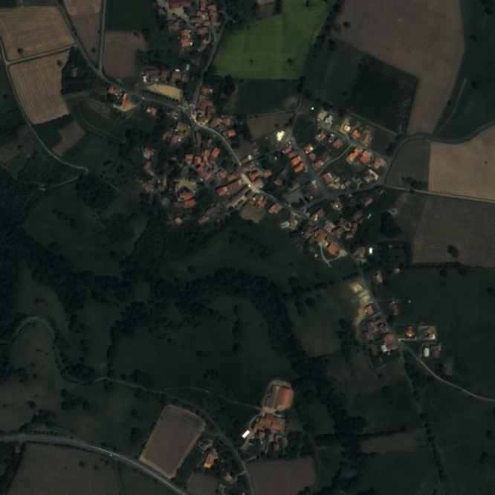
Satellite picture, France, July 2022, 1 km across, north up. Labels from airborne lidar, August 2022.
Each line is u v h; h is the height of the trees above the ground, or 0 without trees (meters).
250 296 13
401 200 0
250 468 0
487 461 7
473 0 0
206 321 0
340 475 15
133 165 10
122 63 0
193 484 0
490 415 0
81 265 0
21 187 12
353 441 15
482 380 0
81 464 7
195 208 8
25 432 14
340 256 0
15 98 0
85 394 0
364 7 0
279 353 11
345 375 0
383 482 0
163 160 8
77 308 9
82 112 0
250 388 0
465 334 0
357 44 0
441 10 0
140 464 0
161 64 13
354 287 0
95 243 0
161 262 8
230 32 0
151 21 0
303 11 0
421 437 0
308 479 0
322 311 0
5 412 0
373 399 0
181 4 0
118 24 0
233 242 12
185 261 0
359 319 0
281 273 0
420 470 0
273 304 26
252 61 6
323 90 0
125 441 0
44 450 0
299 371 15
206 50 8
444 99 0
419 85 0
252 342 0
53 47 0
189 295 23
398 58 0
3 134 9
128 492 0
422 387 15
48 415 8
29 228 0
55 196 0
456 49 0
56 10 0
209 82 12
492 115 0
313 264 0
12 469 11
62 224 0
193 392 0
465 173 0
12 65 0
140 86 0
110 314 0
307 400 17
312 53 0
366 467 20
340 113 7
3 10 0
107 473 0
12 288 20
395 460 0
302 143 0
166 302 26
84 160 0
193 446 0
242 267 0
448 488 0
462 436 0
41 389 0
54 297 0
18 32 0
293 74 0
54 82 0
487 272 0
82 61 8
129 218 9
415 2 0
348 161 0
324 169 0
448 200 0
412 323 0
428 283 0
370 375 0
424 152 0
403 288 0
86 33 0
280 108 0
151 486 0
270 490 0
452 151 0
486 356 0
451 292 0
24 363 0
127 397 0
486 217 0
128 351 0
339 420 26
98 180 12
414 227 0
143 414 0
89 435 0
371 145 0
